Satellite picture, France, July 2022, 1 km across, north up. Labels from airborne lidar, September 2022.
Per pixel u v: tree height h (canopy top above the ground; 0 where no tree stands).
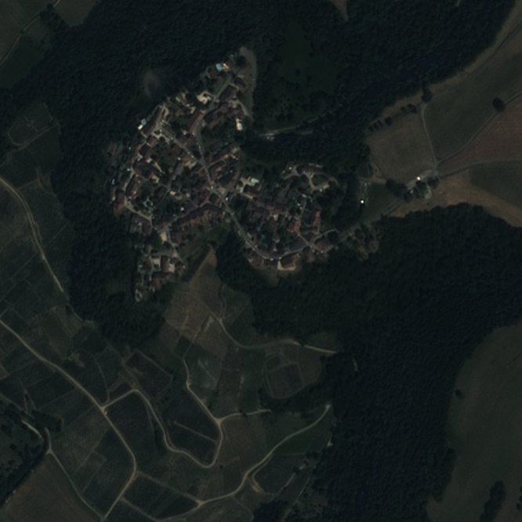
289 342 0
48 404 0
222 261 25
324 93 16
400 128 0
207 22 23
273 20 22
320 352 0
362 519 18
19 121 0
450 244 27
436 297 22
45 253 0
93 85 20
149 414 0
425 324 18
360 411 17
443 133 0
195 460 0
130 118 9
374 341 21
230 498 0
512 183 0
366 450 26
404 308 24
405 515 12
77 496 0
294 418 0
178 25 27
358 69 32
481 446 0
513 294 18
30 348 0
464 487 0
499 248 30
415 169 0
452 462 16
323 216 17
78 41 24
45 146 0
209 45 11
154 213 6
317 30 28
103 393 0
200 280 0
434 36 19
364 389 21
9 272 0
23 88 17
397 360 21
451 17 19
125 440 0
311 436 0
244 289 17
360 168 0
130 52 27
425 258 19
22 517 0
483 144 0
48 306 0
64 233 0
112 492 0
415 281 19
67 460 0
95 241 27
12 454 0
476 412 0
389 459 16
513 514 0
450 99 0
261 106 22
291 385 0
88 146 18
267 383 0
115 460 0
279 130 0
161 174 6
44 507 0
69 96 7
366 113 23
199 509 0
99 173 10
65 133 14
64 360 0
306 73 0
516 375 0
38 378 0
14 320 0
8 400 0
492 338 0
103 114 17
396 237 20
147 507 0
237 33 17
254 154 14
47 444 9
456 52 22
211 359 0
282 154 16
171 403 0
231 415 0
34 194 0
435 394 17
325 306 18
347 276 17
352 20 10
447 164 0
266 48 9
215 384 0
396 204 0
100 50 19
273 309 10
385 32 26
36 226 0
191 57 13
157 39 19
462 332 18
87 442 0
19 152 0
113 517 0
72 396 0
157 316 31
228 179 0
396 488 15
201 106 9
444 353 15
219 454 0
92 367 0
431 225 18
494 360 0
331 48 26
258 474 0
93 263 22
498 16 22
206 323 0
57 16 14
